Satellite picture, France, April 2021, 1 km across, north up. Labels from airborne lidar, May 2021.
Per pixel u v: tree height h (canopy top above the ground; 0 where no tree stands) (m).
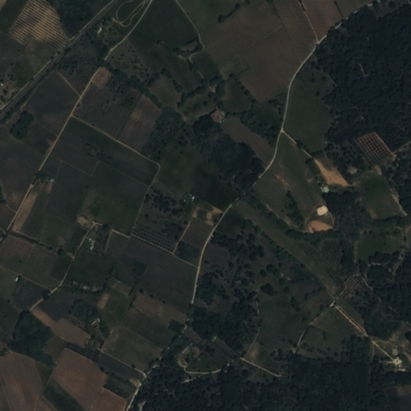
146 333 0
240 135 0
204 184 0
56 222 0
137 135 0
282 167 0
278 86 0
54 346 0
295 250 0
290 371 6
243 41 0
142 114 0
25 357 0
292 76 0
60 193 0
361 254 0
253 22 0
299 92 0
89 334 9
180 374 8
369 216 14
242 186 10
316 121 0
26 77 0
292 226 0
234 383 12
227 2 0
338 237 15
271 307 0
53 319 0
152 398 7
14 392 0
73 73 8
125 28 0
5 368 0
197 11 0
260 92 0
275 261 0
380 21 10
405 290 14
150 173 0
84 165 0
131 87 15
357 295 6
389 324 13
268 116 0
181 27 0
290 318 0
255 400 9
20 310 0
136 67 7
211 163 14
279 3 0
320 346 0
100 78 0
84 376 0
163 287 0
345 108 11
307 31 0
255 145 0
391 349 0
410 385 9
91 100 0
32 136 0
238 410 7
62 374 0
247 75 0
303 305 0
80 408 0
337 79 9
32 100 0
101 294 12
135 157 0
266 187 0
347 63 7
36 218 0
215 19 0
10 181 0
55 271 0
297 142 7
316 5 0
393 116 8
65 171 0
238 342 8
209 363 0
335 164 6
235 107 0
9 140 0
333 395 7
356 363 9
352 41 11
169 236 7
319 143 0
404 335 0
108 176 0
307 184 0
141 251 0
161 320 0
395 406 0
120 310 0
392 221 18
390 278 12
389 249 0
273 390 8
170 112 12
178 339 12
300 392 12
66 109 0
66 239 0
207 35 0
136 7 0
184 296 0
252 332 6
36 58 0
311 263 0
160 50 0
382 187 0
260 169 11
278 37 0
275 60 0
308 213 0
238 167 16
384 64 6
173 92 0
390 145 7
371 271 11
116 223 0
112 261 0
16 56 0
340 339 0
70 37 0
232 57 0
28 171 0
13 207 0
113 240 0
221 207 0
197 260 0
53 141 0
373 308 8
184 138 7
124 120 0
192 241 0
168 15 0
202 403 9
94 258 0
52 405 0
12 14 0
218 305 0
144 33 0
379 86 6
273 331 0
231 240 7
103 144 0
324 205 0
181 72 0
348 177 6
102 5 0
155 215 0
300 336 0
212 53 0
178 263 0
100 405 0
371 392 7
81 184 0
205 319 10
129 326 0
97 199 0
